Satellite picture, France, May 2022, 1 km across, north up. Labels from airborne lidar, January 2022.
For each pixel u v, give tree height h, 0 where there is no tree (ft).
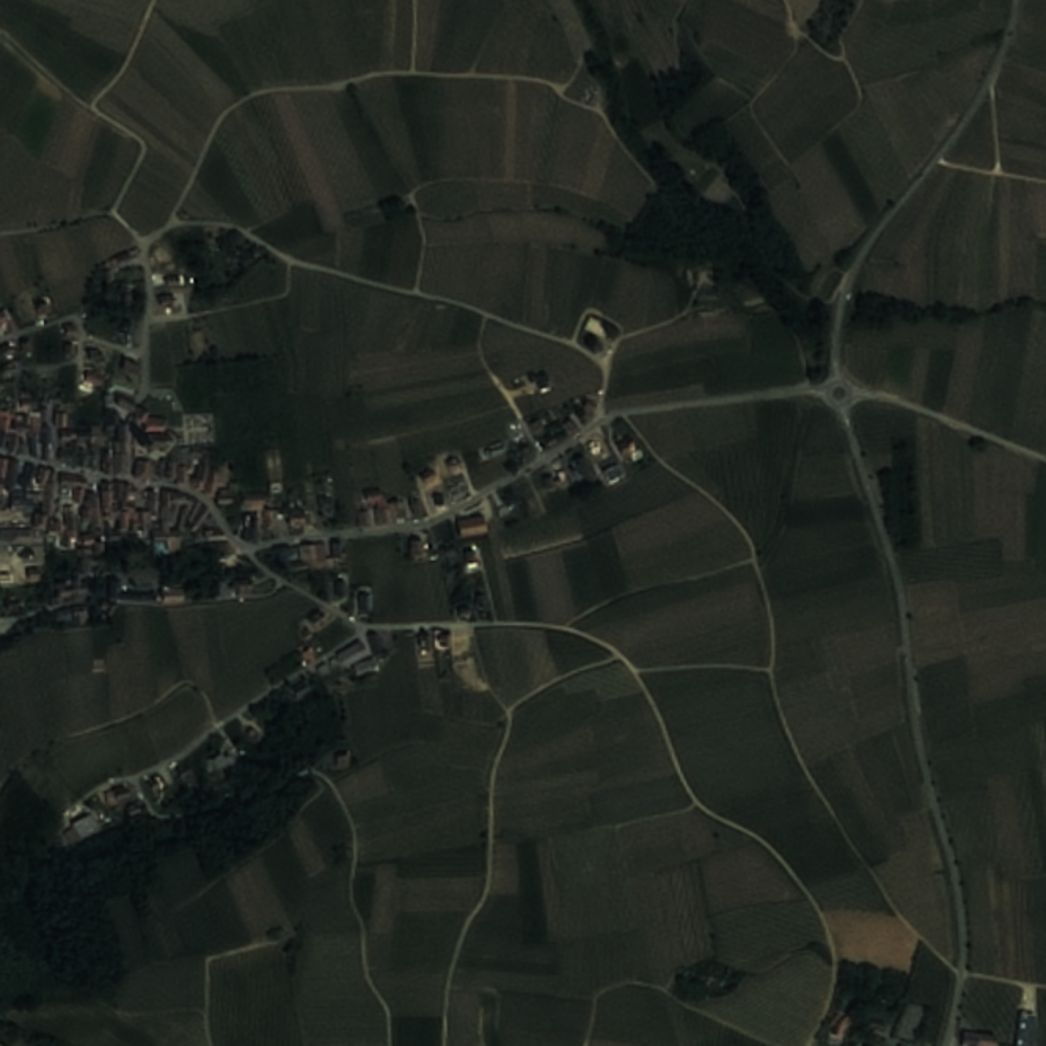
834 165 0
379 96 0
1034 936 0
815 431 0
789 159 0
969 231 0
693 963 0
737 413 0
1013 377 0
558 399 0
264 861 0
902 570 0
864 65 0
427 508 0
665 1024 0
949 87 0
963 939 0
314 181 0
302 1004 0
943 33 0
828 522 0
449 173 0
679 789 0
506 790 0
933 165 0
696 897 0
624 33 0
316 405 0
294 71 0
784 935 0
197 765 0
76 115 0
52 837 0
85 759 0
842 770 0
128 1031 0
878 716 0
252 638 0
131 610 0
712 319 0
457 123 0
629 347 0
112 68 0
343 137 0
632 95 0
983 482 0
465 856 0
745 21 0
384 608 0
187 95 0
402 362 0
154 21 0
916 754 0
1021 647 0
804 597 0
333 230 0
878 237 0
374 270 0
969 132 0
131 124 0
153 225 0
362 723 0
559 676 0
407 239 0
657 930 0
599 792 0
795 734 0
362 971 0
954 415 0
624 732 0
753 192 26
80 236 0
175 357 0
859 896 0
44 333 0
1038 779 0
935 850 0
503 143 0
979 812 0
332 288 0
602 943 0
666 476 0
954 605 0
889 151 0
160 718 0
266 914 0
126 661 0
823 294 0
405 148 0
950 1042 0
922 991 0
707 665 0
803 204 0
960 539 0
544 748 0
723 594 0
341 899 0
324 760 0
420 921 0
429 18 0
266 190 0
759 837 0
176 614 0
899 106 0
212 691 0
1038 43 0
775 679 0
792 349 0
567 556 0
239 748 29
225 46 0
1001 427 0
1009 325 0
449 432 0
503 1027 0
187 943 0
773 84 0
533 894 0
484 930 0
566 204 0
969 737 0
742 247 68
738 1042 0
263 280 0
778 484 0
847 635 0
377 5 0
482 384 0
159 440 0
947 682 0
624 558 0
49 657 0
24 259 0
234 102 0
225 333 0
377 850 0
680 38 0
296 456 0
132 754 0
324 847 0
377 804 0
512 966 0
